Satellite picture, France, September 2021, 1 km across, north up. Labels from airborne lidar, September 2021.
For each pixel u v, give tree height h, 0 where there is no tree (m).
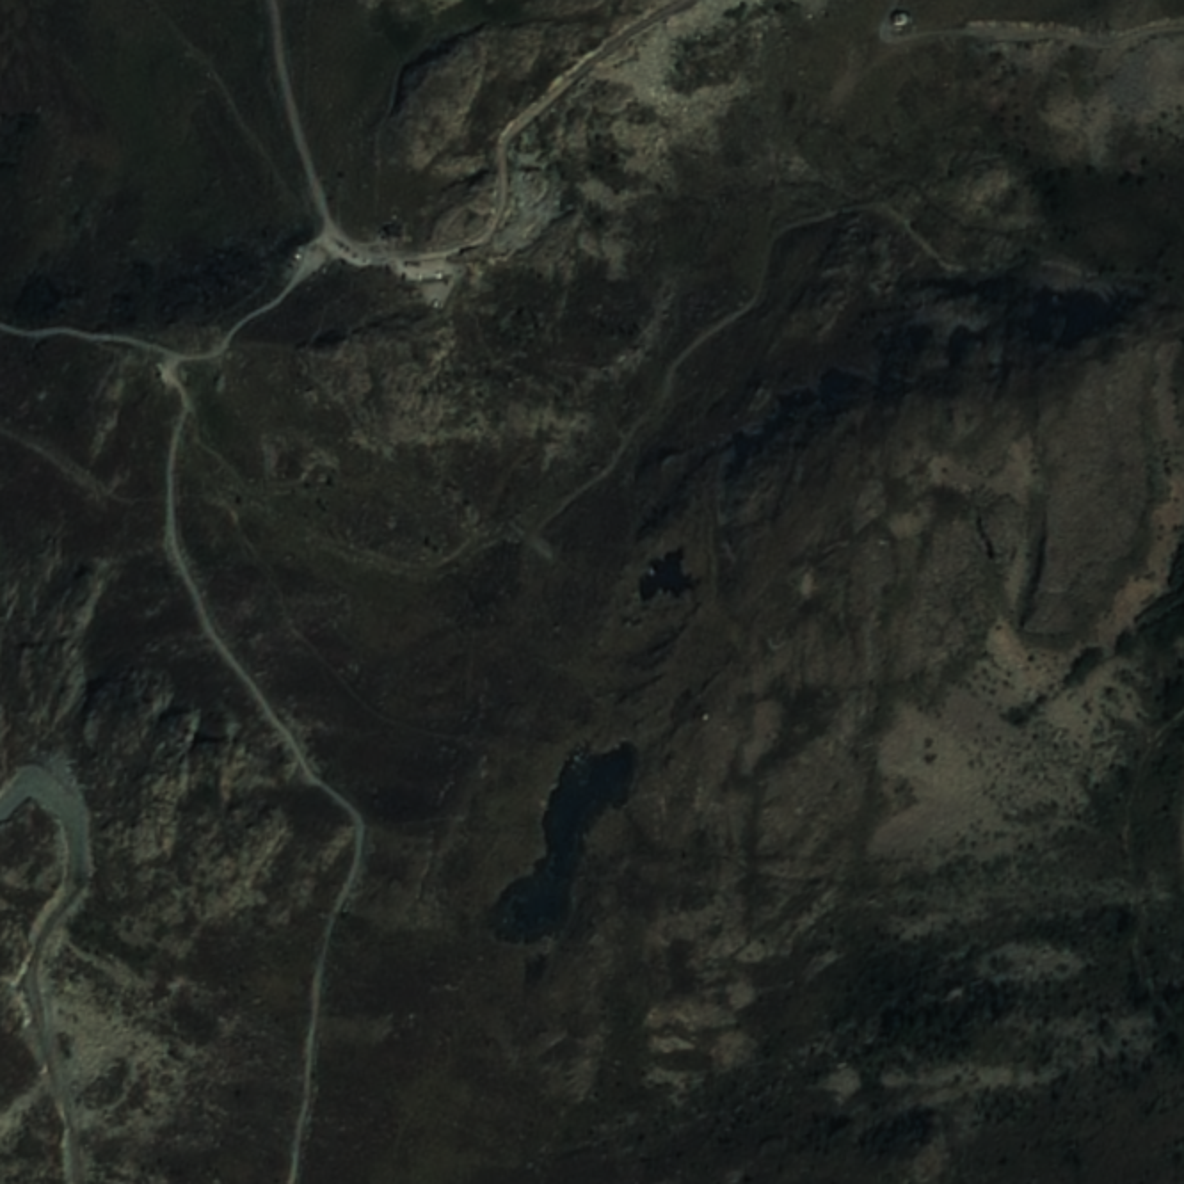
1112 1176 0
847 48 0
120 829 0
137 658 0
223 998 0
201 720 0
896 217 0
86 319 0
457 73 0
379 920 0
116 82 0
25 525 0
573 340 0
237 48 0
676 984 0
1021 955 0
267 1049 0
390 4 0
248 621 0
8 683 0
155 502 0
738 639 0
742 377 0
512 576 0
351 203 0
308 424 0
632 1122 0
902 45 0
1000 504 0
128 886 0
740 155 0
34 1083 0
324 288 0
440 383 0
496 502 0
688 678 0
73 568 0
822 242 0
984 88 0
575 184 0
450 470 0
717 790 0
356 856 0
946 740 0
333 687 0
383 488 0
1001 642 0
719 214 0
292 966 0
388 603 0
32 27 0
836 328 0
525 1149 0
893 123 0
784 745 0
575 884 0
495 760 0
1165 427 0
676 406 0
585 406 0
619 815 0
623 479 0
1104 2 0
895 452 0
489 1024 0
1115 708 0
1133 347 0
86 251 0
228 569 0
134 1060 0
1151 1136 0
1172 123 0
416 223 0
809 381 0
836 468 0
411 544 0
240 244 0
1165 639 9
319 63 0
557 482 0
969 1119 0
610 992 0
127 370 0
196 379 0
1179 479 0
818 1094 0
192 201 0
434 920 0
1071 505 0
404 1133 0
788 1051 0
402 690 0
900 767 0
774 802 0
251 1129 0
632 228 0
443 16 0
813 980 0
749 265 0
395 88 0
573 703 0
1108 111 0
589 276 0
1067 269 0
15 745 0
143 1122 0
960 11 0
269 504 0
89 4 0
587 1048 0
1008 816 0
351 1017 0
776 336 0
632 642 0
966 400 0
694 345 0
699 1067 0
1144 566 0
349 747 0
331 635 0
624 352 0
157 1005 0
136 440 0
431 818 0
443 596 0
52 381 0
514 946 0
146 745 0
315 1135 0
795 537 0
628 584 0
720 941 0
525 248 0
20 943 0
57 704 0
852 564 0
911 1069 9
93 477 0
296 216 0
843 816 0
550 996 0
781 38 0
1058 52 0
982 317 0
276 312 0
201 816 0
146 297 0
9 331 0
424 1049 0
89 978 0
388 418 0
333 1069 0
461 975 0
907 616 0
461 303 0
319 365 0
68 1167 0
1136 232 0
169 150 0
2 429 0
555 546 0
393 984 0
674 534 0
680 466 0
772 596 0
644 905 0
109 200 0
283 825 0
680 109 0
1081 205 0
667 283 0
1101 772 0
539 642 0
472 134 0
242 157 0
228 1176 0
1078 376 0
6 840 0
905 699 0
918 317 0
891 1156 0
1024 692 0
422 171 0
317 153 0
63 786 0
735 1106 0
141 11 0
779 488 0
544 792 0
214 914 0
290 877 0
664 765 0
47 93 0
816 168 0
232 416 0
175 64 0
